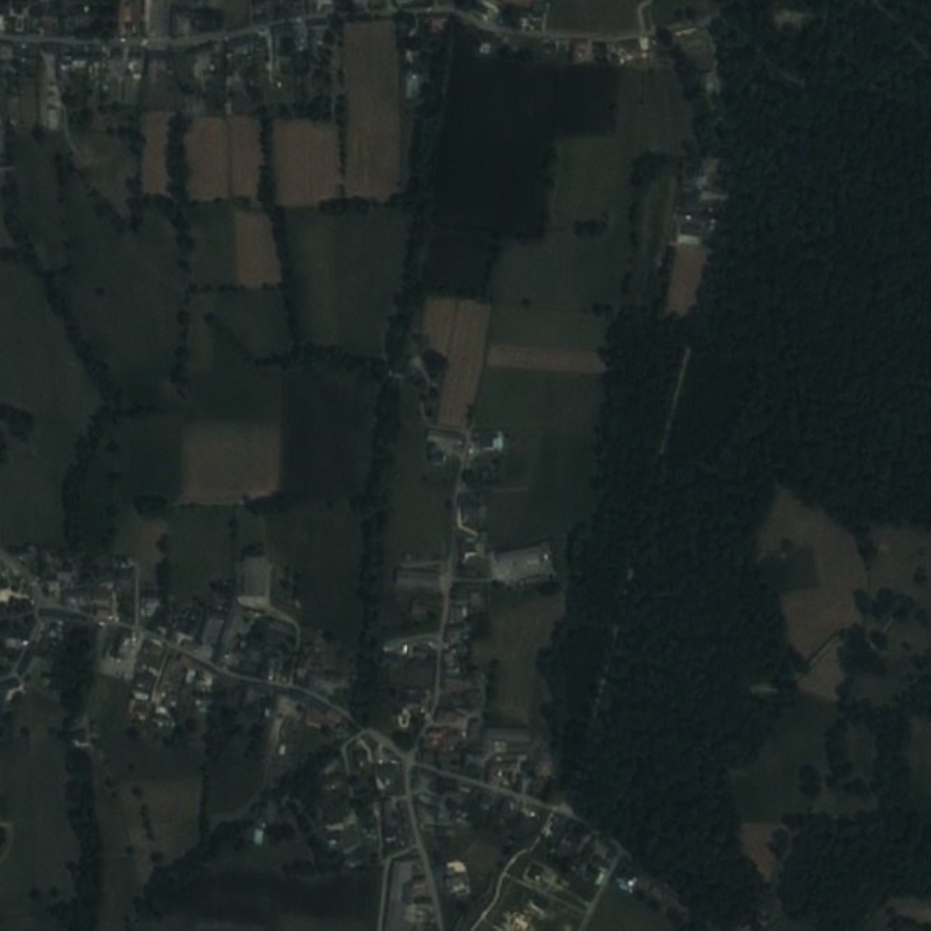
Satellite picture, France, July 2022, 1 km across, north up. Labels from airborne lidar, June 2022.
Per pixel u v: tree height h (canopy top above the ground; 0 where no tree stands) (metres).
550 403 0
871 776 0
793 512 0
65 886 0
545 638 0
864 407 20
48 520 0
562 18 0
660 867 28
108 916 0
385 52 0
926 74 27
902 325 26
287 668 8
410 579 0
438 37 8
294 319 12
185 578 0
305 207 0
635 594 29
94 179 0
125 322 0
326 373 0
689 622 34
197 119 0
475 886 0
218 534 0
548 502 0
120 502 0
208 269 0
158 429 0
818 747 0
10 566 0
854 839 26
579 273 0
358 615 0
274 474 0
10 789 0
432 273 0
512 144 0
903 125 29
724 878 31
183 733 11
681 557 33
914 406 25
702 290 10
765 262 32
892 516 29
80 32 11
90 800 21
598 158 0
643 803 27
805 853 26
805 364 31
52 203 0
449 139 0
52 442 0
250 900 0
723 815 39
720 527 27
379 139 0
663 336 19
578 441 0
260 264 0
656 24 0
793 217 29
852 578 0
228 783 0
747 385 6
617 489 21
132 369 0
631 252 0
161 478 0
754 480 26
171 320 0
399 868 0
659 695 35
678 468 31
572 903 0
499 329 0
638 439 19
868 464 21
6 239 0
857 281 27
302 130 0
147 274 0
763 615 29
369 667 15
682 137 0
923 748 0
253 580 0
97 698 0
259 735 19
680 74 14
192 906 0
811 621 0
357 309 0
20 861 0
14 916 0
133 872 0
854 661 22
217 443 0
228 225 0
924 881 22
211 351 0
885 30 26
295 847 0
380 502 27
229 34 0
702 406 6
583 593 21
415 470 0
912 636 0
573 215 0
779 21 0
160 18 0
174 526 0
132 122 11
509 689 0
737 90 27
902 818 25
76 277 0
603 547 19
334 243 0
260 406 0
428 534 0
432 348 0
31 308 0
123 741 0
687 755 34
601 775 32
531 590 0
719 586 37
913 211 28
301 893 0
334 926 0
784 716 21
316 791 17
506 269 0
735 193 23
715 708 35
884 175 22
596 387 0
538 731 0
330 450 0
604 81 0
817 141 28
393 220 0
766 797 0
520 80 0
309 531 0
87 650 14
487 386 0
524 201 0
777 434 28
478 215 0
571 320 0
